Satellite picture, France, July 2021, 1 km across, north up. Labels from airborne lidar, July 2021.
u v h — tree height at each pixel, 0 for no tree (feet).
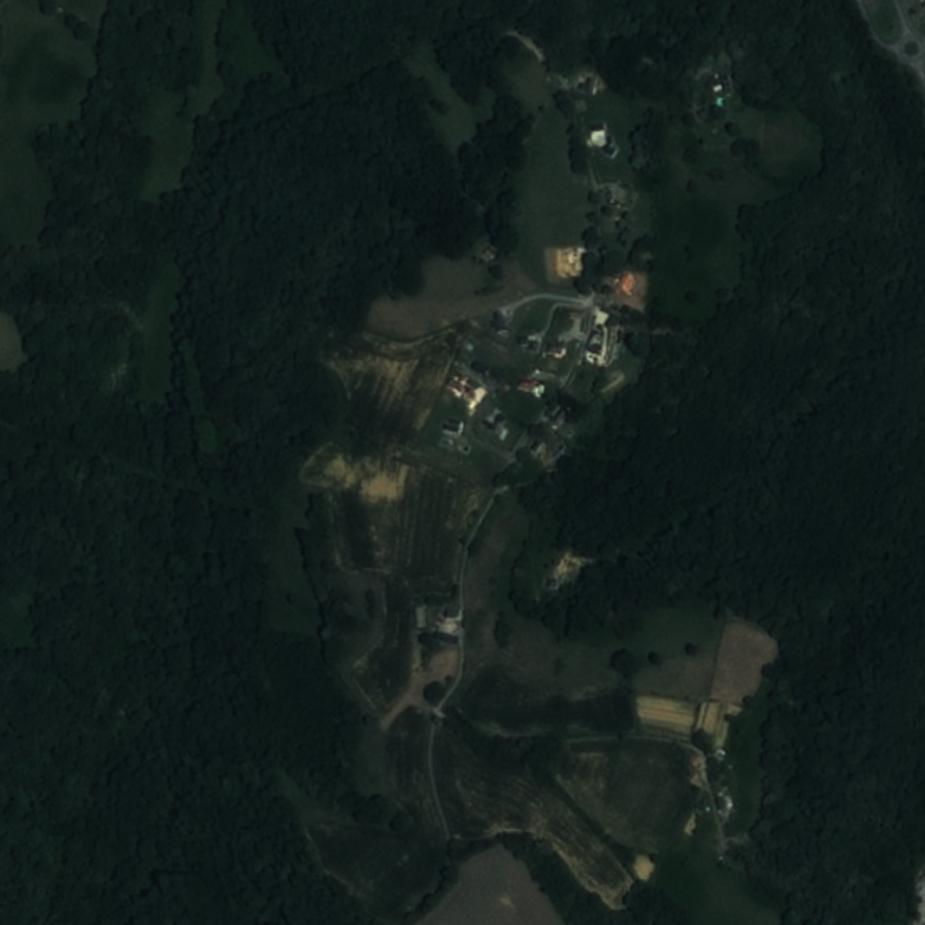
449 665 0
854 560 57
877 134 86
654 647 0
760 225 73
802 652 61
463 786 0
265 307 69
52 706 66
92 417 98
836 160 87
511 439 0
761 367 84
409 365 0
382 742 0
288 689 46
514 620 0
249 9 27
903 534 42
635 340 85
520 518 0
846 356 78
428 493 0
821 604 90
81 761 51
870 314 76
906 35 0
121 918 66
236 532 75
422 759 0
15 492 49
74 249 74
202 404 115
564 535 67
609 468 40
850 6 57
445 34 35
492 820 0
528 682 0
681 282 0
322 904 67
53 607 85
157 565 83
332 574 59
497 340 0
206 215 83
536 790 0
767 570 58
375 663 0
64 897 79
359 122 97
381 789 0
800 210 57
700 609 0
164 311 0
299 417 84
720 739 0
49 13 70
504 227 68
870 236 79
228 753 63
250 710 35
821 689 97
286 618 0
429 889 0
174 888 104
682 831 0
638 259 78
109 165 83
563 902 32
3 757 74
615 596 98
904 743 69
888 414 57
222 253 77
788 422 33
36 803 31
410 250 94
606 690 0
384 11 91
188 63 80
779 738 78
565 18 81
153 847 110
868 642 84
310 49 72
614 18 84
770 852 63
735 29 60
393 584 0
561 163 0
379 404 0
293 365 39
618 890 0
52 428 88
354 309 92
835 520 38
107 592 74
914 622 72
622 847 21
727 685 0
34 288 88
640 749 0
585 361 20
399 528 0
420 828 0
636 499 84
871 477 38
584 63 31
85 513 89
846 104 53
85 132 87
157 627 105
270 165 62
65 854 49
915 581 72
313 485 0
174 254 21
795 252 87
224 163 96
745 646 0
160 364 0
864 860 84
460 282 0
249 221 68
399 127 78
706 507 91
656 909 84
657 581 71
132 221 84
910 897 45
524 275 0
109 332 74
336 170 86
